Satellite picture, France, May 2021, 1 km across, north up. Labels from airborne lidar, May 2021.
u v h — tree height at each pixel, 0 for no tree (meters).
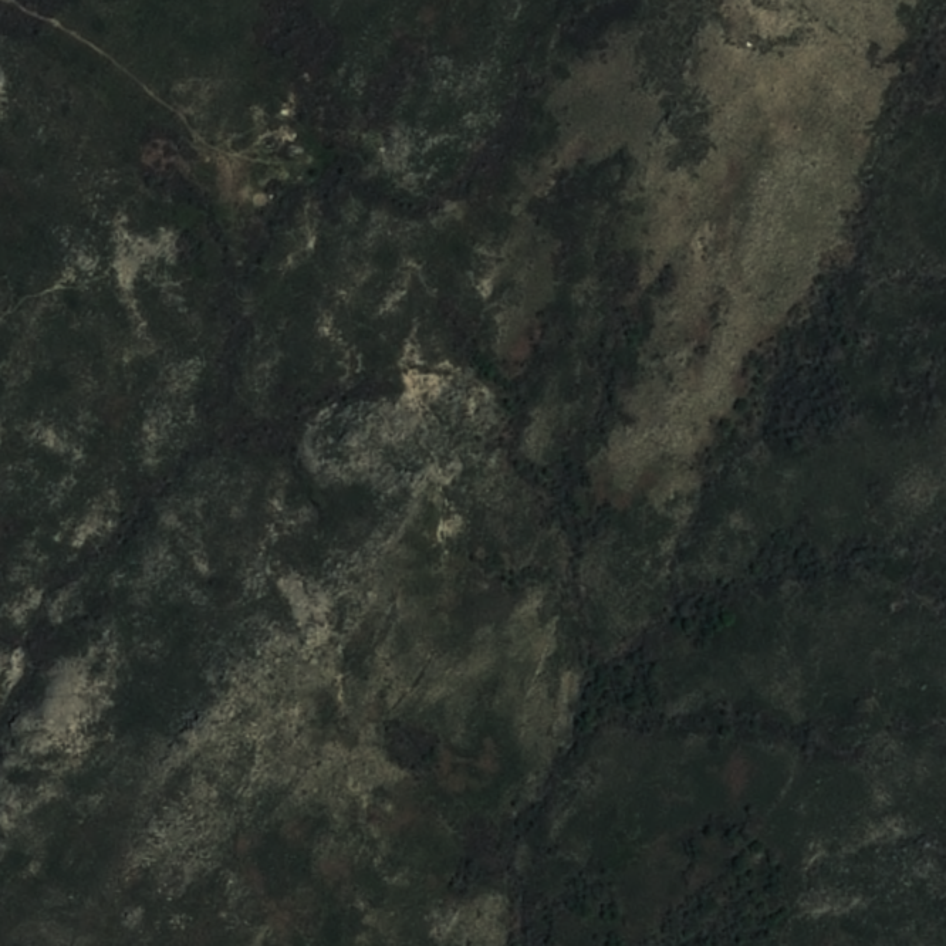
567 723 0
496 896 0
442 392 0
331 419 0
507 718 0
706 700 0
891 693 0
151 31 0
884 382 0
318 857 0
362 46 0
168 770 0
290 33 7
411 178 0
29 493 0
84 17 0
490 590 0
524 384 7
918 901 0
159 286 0
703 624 8
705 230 0
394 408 0
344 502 0
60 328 0
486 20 0
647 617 0
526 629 0
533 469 9
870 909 0
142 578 0
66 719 0
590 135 0
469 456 0
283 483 0
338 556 0
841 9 0
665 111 0
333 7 0
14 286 0
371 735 0
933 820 0
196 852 0
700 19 0
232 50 0
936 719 0
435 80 0
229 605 0
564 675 0
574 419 0
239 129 0
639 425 0
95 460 0
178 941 0
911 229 0
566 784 0
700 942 10
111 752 0
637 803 0
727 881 8
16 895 0
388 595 0
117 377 0
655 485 0
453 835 0
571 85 0
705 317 0
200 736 0
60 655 0
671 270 8
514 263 0
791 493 0
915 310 0
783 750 0
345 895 0
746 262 0
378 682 0
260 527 0
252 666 0
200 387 0
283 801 0
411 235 0
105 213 0
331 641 0
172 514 0
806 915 0
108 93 0
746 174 0
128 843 0
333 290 0
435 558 0
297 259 0
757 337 0
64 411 0
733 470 0
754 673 0
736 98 0
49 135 0
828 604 0
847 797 0
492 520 0
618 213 0
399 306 0
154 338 0
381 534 0
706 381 0
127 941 0
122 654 0
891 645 0
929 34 11
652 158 0
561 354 0
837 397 9
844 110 0
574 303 0
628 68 0
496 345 0
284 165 0
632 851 0
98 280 0
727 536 0
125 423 0
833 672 0
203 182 0
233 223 0
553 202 0
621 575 0
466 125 0
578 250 0
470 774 0
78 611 8
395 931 0
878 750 0
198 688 0
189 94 0
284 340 0
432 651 0
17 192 0
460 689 0
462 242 0
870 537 9
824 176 0
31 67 0
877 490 7
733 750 0
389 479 0
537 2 0
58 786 0
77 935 0
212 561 0
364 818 0
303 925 0
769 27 0
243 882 0
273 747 0
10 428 0
